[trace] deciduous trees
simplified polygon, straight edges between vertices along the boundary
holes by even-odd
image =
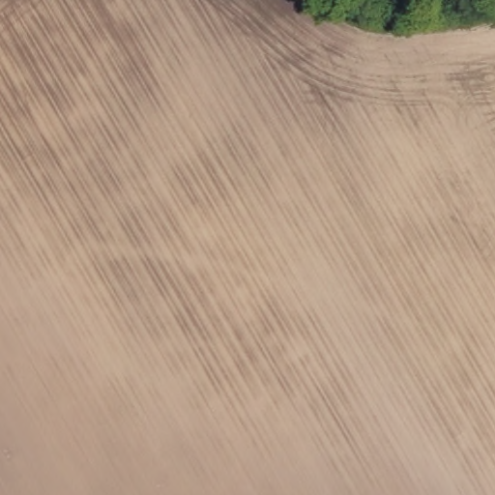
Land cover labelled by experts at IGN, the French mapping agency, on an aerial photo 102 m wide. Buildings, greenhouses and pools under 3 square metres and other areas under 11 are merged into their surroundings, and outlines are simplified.
[[[302,14],[309,15],[315,23],[350,23],[371,33],[387,33],[385,21],[391,17],[394,0],[302,0]]]
[[[408,14],[400,15],[391,33],[396,37],[410,37],[416,33],[470,29],[476,25],[495,27],[495,0],[410,0]]]

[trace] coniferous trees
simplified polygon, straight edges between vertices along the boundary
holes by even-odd
[[[408,14],[410,0],[394,0],[391,17],[385,21],[387,33],[391,33],[400,15]]]

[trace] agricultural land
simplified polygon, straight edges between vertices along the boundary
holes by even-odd
[[[410,37],[396,37],[391,33],[387,33],[371,33],[350,23],[315,23],[309,15],[302,14],[302,0],[0,0],[0,495],[495,495],[495,27],[476,25],[470,29],[416,33]]]

